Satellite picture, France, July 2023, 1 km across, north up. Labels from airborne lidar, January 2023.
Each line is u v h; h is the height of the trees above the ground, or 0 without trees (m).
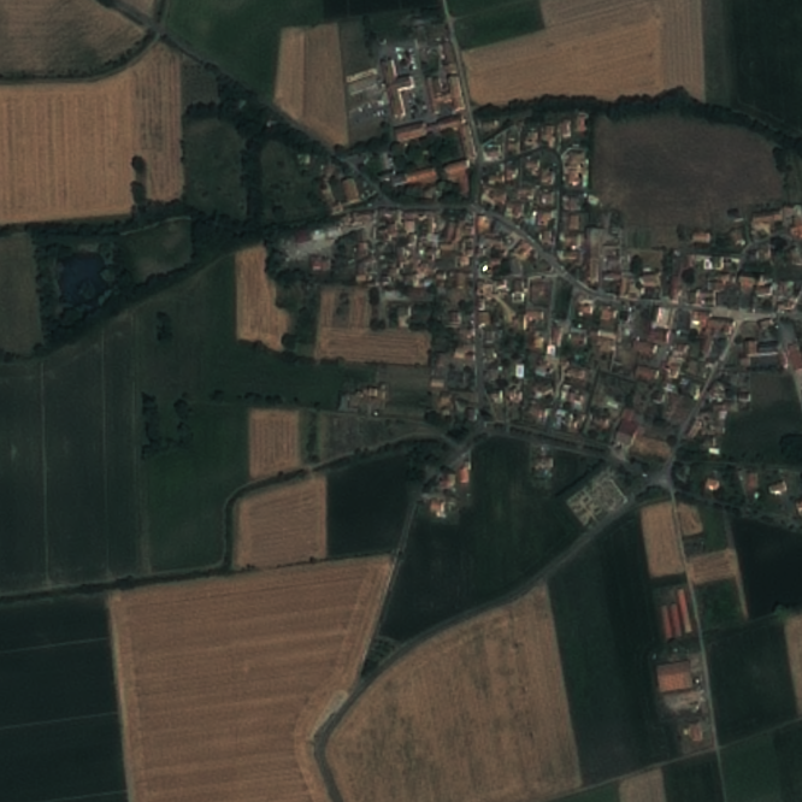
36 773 0
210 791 0
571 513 12
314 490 0
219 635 0
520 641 0
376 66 0
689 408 0
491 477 0
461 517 0
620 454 0
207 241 22
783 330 0
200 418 0
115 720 0
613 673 0
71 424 0
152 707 0
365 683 0
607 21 0
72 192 0
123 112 0
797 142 11
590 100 14
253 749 0
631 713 0
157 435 20
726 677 0
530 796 0
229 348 0
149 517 0
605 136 0
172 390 0
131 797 0
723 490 6
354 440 0
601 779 0
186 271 11
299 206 0
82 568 0
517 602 0
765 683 0
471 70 0
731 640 0
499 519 0
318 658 0
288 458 0
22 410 0
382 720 0
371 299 7
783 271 0
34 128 0
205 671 0
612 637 0
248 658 0
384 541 0
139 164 14
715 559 0
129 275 19
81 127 0
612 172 0
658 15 0
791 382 0
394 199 12
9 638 0
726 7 0
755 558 0
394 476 0
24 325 0
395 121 0
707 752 0
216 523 0
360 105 0
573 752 0
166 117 0
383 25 0
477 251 0
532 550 0
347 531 0
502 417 0
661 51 0
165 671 0
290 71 0
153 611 0
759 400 0
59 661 0
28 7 0
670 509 0
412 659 0
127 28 0
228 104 18
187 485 0
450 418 10
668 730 0
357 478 0
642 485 0
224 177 0
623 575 0
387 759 0
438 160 16
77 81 0
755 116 0
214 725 0
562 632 0
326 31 0
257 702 0
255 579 0
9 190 0
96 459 0
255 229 13
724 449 0
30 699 0
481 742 0
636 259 9
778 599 0
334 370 0
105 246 9
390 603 0
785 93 0
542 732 0
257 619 0
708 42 0
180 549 0
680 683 0
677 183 0
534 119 6
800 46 0
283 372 0
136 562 0
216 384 0
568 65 0
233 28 0
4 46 0
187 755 0
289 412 0
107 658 0
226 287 0
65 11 0
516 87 0
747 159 0
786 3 0
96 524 0
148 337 0
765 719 0
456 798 0
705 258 0
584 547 0
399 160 15
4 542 0
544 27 0
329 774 0
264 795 0
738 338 5
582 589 0
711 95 0
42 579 0
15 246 0
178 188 0
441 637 0
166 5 0
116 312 17
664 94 0
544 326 0
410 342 0
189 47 0
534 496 0
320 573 0
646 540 0
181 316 0
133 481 0
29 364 0
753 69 0
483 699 0
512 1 0
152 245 0
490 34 0
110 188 0
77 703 0
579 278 0
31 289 0
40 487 0
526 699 0
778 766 0
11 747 0
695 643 0
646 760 0
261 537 0
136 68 0
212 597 0
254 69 0
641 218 0
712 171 0
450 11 0
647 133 0
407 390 0
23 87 0
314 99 0
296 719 0
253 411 0
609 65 0
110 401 0
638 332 0
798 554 0
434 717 0
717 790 0
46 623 0
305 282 7
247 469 0
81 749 0
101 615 0
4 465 0
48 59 0
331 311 0
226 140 0
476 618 0
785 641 0
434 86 0
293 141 16
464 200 10
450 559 0
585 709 0
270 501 0
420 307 6
